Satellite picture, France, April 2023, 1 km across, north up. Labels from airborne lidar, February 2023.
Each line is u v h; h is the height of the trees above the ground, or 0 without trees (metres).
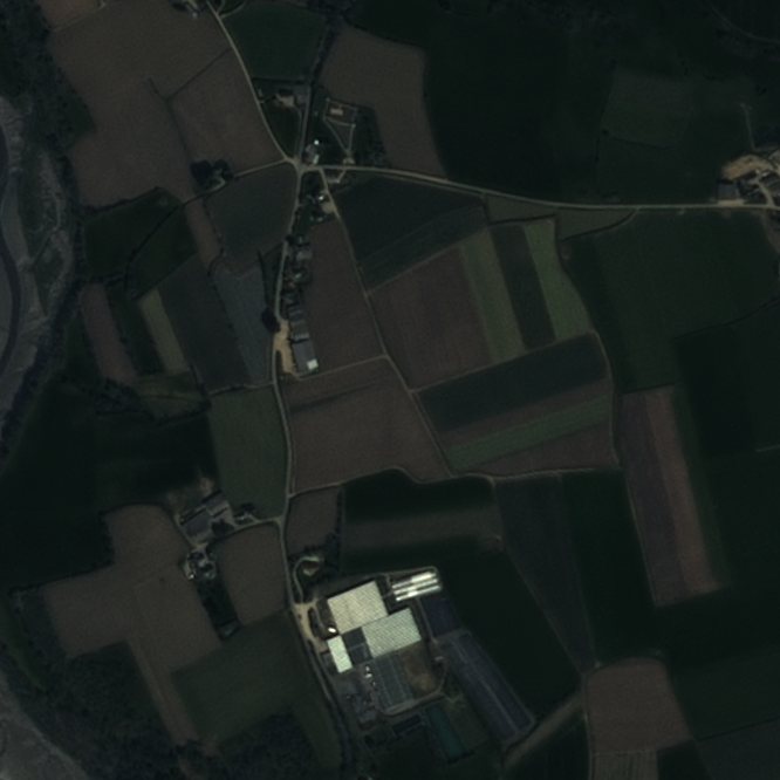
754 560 0
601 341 0
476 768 0
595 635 0
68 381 9
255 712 0
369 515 0
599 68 0
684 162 0
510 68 0
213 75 0
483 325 0
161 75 0
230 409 0
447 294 0
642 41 0
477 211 0
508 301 0
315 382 0
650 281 0
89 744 10
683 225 0
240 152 0
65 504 0
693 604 0
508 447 0
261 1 0
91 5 0
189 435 0
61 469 0
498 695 0
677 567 0
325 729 0
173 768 10
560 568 0
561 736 0
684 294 0
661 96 0
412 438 0
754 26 0
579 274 0
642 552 0
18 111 0
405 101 0
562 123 0
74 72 0
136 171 0
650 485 0
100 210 7
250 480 0
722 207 0
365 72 0
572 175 0
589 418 0
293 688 0
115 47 0
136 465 0
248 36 0
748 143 0
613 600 0
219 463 0
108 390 11
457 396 0
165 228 0
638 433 0
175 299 0
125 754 18
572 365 0
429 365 0
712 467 0
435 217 0
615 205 0
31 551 0
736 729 0
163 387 0
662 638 0
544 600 0
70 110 0
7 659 13
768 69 0
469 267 0
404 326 0
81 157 0
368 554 0
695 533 0
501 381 0
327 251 0
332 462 0
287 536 0
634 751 0
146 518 0
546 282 0
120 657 0
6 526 0
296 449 0
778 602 0
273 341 0
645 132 0
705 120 0
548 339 0
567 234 0
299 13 0
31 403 12
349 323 0
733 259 0
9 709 0
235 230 0
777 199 0
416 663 0
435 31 0
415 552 0
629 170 0
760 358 0
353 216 0
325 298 0
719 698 0
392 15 0
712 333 0
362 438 0
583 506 0
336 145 0
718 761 0
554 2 0
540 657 0
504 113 0
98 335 0
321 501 0
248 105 0
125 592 0
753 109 0
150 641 0
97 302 0
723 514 0
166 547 0
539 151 0
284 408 0
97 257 0
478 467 0
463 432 0
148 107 0
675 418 0
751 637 0
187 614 0
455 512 0
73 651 0
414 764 0
